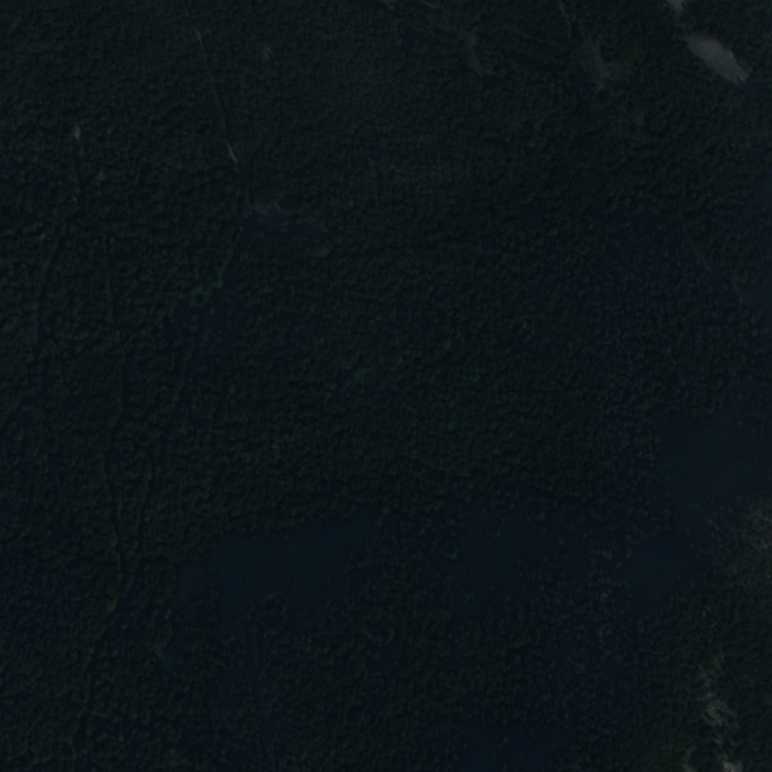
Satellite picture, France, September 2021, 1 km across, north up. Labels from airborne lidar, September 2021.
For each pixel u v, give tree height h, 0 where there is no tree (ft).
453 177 55
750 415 98
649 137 77
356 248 82
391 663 88
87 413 89
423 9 27
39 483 81
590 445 67
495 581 66
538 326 75
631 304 91
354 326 80
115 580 96
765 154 71
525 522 109
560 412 62
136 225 77
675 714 69
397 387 96
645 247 78
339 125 57
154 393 88
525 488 77
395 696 97
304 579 67
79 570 103
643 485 77
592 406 79
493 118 72
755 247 68
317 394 100
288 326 87
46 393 102
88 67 67
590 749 68
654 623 59
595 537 81
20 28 52
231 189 85
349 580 79
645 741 43
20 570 86
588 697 81
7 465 83
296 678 80
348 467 99
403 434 80
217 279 70
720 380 74
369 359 68
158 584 78
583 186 100
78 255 49
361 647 70
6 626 80
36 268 73
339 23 47
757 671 89
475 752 74
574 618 54
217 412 69
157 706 81
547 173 85
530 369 84
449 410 72
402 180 50
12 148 67
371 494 110
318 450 110
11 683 60
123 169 83
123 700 59
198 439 81
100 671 63
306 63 71
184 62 52
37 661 81
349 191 66
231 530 78
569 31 69
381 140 72
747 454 40
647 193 75
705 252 52
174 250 93
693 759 48
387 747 91
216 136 69
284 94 75
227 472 98
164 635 60
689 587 60
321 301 79
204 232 68
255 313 91
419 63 81
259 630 64
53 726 72
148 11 36
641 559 55
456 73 45
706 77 62
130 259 49
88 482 78
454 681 71
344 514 111
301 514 101
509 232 104
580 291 73
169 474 67
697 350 75
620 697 79
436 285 87
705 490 56
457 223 116
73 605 68
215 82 29
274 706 42
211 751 94
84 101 52
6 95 69
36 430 76
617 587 95
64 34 60
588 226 88
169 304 82
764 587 49
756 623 82
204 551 93
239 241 53
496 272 81
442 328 104
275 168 86
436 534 78
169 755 95
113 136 64
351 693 89
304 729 70
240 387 91
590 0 93
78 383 108
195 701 93
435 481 46
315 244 81
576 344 65
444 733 90
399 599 83
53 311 54
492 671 82
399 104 52
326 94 66
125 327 35
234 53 41
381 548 72
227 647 49
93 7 65
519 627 86
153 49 49
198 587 83
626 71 26
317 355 95
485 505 79
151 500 67
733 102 56
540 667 69
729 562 60
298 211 77
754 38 90
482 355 91
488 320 96
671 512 74
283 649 90
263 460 94
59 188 78
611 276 59
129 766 37
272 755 50
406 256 77
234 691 54
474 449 87
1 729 65
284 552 67
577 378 75
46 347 112
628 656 61
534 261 74
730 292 52
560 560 97
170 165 85
